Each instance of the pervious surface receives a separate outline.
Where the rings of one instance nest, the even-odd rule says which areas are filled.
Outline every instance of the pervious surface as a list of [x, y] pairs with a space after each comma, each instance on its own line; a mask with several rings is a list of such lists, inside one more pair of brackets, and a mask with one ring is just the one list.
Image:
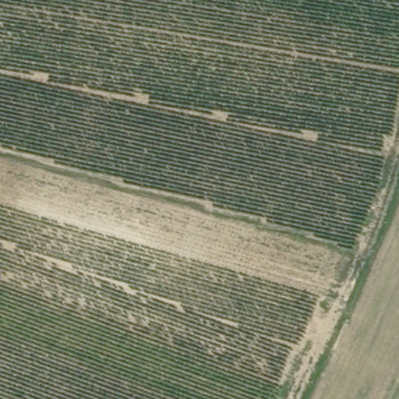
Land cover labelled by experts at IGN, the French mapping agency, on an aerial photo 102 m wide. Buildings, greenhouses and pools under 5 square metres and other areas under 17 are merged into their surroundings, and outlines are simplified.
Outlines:
[[302, 358], [301, 368], [295, 374], [295, 383], [291, 385], [287, 399], [301, 399], [316, 362], [323, 354], [326, 341], [329, 340], [340, 316], [329, 310], [324, 318], [315, 318], [313, 315], [310, 318], [302, 335], [312, 341], [312, 349]]

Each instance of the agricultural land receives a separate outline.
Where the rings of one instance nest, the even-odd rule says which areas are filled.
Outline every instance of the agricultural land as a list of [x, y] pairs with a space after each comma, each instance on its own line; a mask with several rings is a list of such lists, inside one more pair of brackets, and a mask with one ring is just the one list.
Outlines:
[[362, 256], [358, 257], [355, 265], [355, 271], [358, 271], [357, 281], [340, 316], [329, 340], [326, 341], [323, 354], [316, 362], [301, 399], [399, 399], [399, 192], [388, 204], [387, 214], [377, 232], [376, 242], [373, 246], [366, 245]]

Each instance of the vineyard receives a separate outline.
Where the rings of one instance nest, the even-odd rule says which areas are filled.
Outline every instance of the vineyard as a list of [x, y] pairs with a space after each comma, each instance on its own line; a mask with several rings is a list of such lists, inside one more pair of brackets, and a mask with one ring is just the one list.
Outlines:
[[376, 242], [377, 232], [387, 214], [388, 204], [399, 192], [399, 0], [0, 0], [0, 399], [287, 399], [291, 385], [295, 383], [295, 374], [301, 368], [302, 358], [312, 349], [312, 341], [302, 335], [310, 318], [313, 315], [315, 318], [324, 318], [329, 310], [340, 316], [357, 281], [358, 271], [355, 271], [355, 265], [358, 257], [362, 256], [366, 245], [373, 246]]

